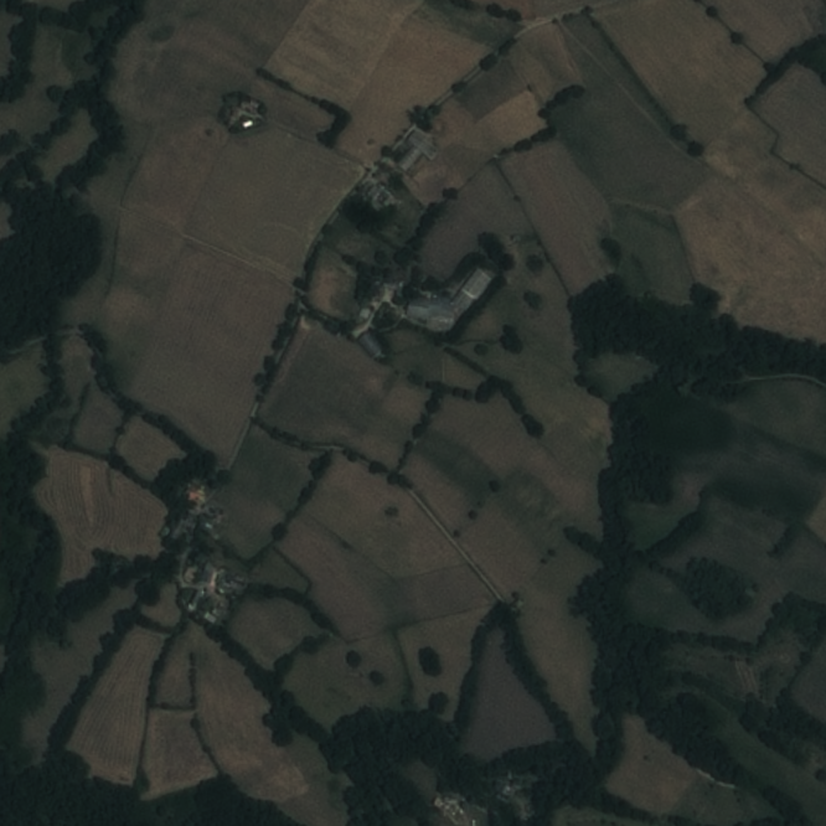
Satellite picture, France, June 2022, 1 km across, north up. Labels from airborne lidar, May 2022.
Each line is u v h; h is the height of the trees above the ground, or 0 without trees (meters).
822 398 0
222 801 17
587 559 0
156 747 0
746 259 0
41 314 28
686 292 0
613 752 26
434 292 11
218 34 0
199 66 0
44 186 24
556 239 0
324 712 0
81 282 13
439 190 0
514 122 0
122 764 0
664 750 0
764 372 0
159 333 0
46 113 0
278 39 0
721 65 0
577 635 0
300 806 0
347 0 0
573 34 0
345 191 0
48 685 0
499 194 0
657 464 20
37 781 10
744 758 0
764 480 0
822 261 0
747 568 0
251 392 0
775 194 0
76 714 19
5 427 0
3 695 19
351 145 0
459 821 0
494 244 15
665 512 0
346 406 0
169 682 0
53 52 0
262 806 18
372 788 17
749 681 0
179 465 10
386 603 0
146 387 0
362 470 0
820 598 0
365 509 0
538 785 9
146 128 0
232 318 0
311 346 0
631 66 0
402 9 0
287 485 0
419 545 0
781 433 0
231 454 0
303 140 0
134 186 0
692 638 12
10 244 20
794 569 0
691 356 20
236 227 0
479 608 0
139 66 0
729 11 0
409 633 0
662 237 0
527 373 0
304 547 0
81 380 0
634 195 0
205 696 0
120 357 0
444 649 0
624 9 0
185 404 0
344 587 0
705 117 0
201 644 0
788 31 0
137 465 0
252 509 0
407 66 0
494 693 0
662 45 0
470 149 0
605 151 0
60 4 0
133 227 0
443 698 21
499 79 0
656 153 0
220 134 0
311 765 0
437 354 0
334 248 0
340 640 0
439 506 0
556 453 0
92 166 19
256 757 0
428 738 27
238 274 0
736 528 0
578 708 0
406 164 0
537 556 0
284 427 0
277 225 0
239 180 0
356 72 0
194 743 0
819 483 0
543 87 0
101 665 16
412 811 18
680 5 0
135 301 0
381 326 7
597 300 23
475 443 0
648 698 24
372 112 0
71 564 0
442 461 0
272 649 0
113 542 0
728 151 0
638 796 0
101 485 0
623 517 15
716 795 0
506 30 0
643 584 0
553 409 0
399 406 0
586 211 0
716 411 0
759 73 0
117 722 0
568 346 0
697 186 0
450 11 0
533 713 0
